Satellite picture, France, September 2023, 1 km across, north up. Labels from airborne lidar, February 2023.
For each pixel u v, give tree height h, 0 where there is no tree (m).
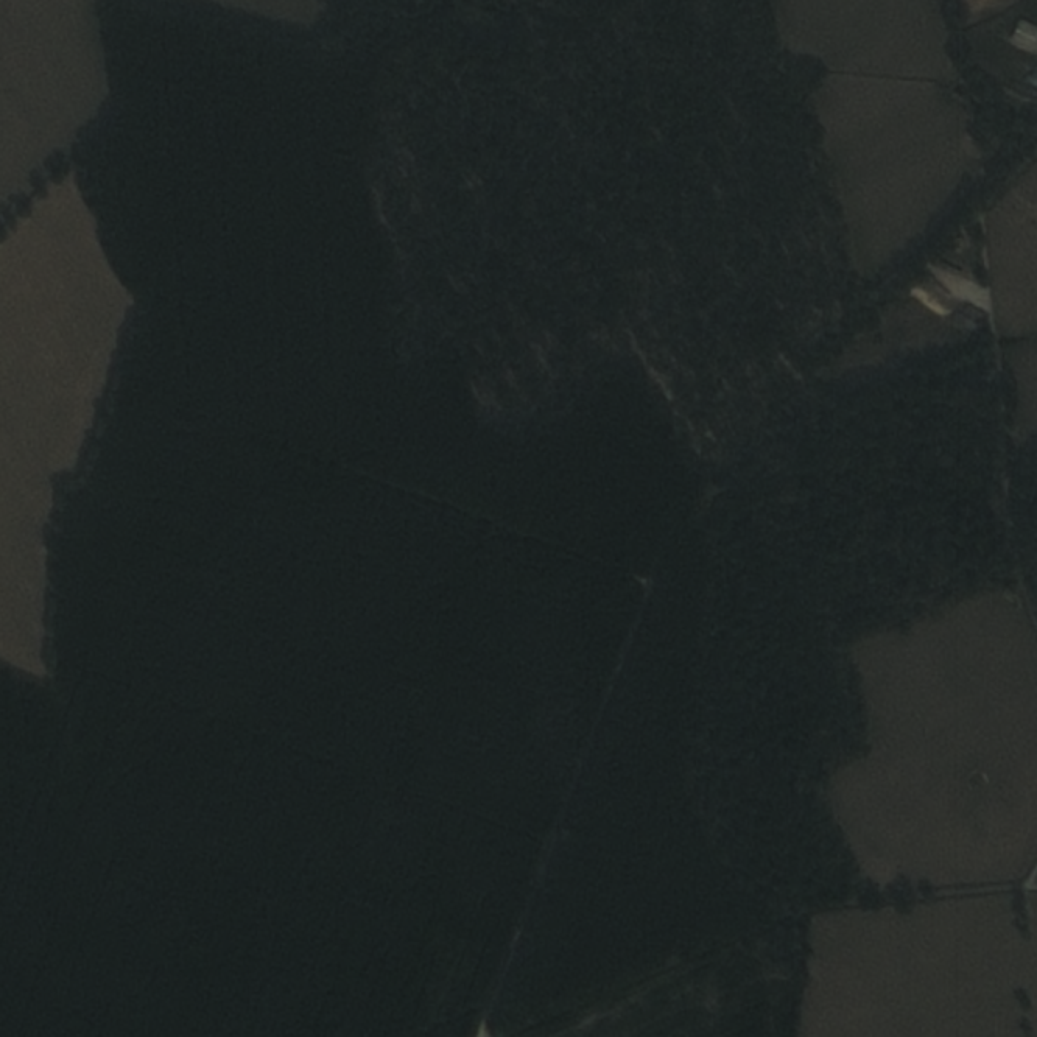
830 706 18
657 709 16
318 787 11
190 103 23
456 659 8
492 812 9
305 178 22
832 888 19
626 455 19
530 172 20
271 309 20
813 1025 0
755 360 22
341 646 14
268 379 20
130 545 12
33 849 9
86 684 6
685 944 17
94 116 0
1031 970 0
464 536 10
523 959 17
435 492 11
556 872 17
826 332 22
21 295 0
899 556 17
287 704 16
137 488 13
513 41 22
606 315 19
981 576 18
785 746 19
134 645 8
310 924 12
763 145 20
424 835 13
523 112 19
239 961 9
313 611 15
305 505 8
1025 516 21
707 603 15
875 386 27
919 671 0
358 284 19
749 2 17
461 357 19
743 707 21
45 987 10
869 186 0
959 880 0
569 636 12
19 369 0
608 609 11
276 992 12
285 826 12
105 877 8
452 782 8
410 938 12
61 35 0
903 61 0
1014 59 0
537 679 11
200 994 9
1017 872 0
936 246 17
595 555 14
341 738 14
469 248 25
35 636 0
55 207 0
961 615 0
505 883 8
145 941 12
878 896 18
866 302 16
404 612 12
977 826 0
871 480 13
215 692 15
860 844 0
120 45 20
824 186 17
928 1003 0
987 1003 0
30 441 0
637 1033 0
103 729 6
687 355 21
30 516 0
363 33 20
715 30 18
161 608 9
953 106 0
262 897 13
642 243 21
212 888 13
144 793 7
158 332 20
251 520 13
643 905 17
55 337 0
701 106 17
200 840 14
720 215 19
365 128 21
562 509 16
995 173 18
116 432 13
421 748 13
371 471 12
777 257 20
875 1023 0
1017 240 0
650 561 11
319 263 19
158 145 22
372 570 15
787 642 21
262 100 23
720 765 22
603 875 17
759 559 22
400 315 18
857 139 0
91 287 0
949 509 9
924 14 0
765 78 18
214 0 0
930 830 0
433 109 22
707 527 19
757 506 20
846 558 16
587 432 19
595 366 21
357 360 19
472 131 24
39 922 12
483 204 21
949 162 0
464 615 12
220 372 23
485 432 20
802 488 20
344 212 23
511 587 7
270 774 11
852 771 0
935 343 0
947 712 0
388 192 23
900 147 0
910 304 0
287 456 7
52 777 8
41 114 0
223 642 16
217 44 22
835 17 0
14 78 0
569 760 10
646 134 18
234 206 23
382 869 12
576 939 18
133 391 12
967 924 0
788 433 23
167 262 20
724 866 16
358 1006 7
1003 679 0
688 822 16
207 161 23
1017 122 18
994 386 23
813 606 18
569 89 16
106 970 11
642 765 16
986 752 0
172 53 21
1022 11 0
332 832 10
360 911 10
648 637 13
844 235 15
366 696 15
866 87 0
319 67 20
